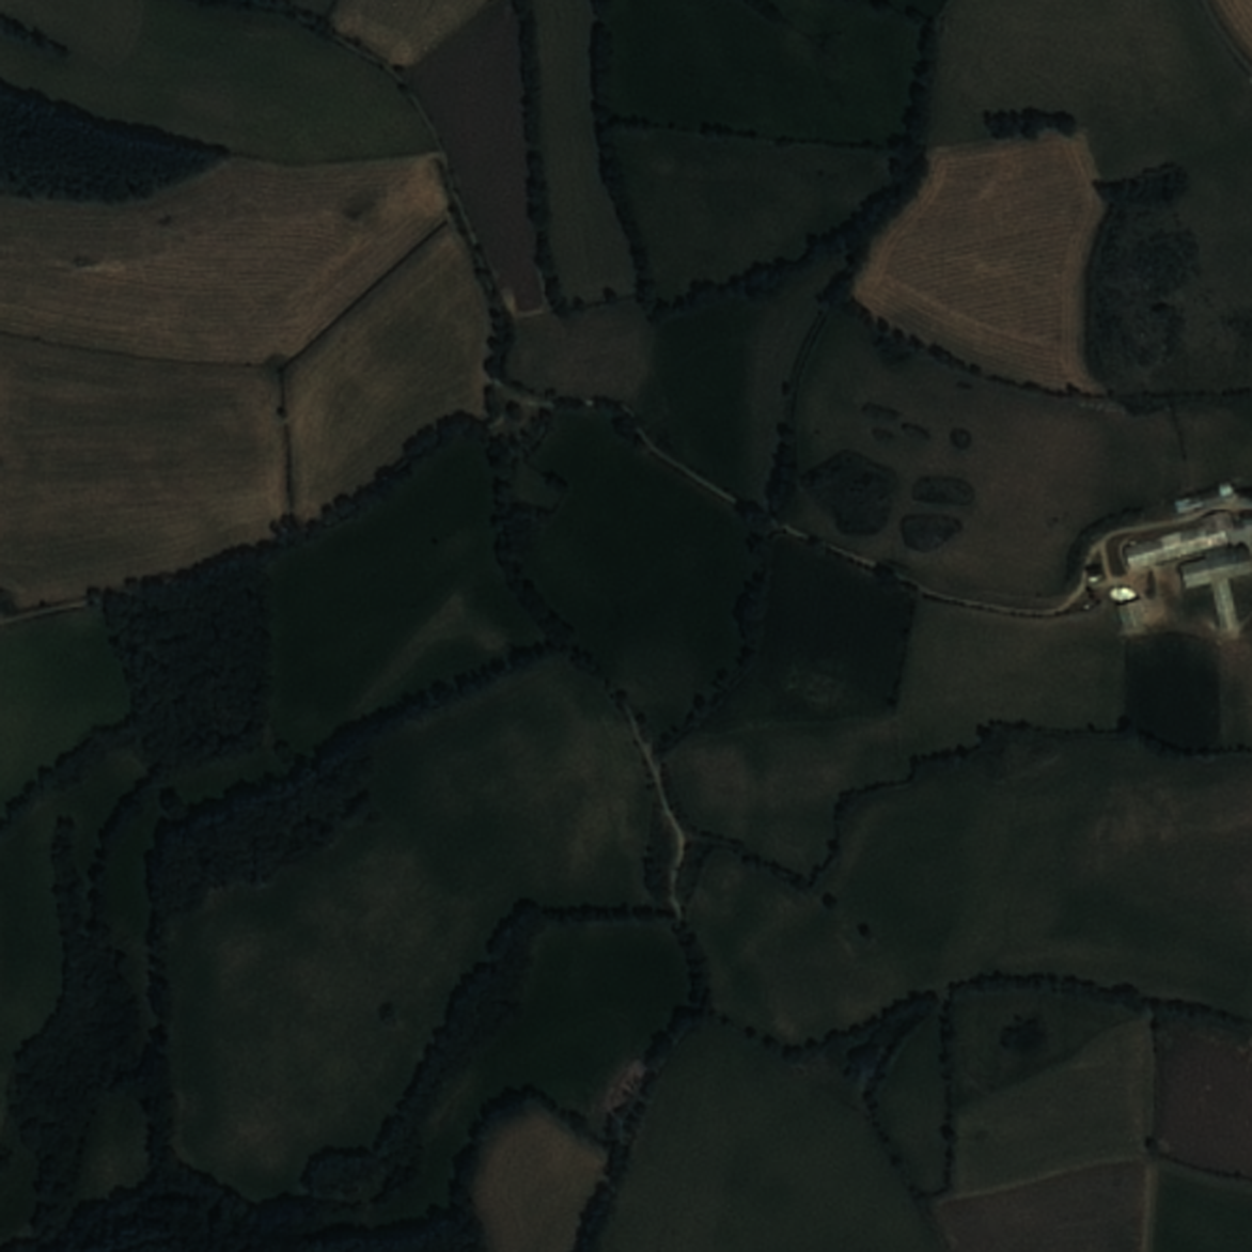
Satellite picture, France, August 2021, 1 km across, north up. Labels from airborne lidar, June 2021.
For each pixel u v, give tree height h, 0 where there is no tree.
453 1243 18
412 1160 11
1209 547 0
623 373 0
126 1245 22
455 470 0
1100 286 0
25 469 0
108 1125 0
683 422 0
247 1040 0
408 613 0
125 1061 23
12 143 24
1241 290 0
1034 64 0
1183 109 0
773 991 0
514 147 0
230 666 19
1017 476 0
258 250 0
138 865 0
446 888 0
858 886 0
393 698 0
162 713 20
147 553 0
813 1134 0
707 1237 0
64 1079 16
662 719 0
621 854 0
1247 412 0
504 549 13
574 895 0
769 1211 0
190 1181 23
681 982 0
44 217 0
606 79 18
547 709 0
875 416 0
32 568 0
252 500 0
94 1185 0
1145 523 0
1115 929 0
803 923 0
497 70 0
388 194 0
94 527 0
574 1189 0
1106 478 0
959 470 0
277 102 0
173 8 0
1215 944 0
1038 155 0
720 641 0
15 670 0
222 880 13
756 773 0
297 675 0
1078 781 0
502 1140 0
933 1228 0
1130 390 0
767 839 0
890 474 0
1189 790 0
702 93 0
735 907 0
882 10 14
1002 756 0
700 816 0
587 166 0
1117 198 11
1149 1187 0
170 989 20
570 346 0
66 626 0
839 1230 0
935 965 0
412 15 0
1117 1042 0
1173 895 0
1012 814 0
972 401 0
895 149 13
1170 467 0
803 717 0
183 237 0
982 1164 0
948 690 0
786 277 14
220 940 0
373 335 0
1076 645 0
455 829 0
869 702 0
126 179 13
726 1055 0
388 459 0
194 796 0
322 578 0
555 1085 0
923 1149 0
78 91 0
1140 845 0
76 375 0
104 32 0
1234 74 0
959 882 0
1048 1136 0
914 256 0
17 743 0
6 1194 0
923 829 0
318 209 0
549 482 12
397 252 0
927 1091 0
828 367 0
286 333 0
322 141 0
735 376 0
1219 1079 0
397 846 0
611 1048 0
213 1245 20
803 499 0
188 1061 0
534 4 16
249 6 11
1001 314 0
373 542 0
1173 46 0
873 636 0
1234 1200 0
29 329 0
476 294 0
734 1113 0
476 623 0
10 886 0
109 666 0
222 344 0
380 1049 0
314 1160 8
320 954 0
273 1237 26
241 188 0
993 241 0
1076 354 0
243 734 16
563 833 0
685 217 0
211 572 16
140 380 0
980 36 0
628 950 0
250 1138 0
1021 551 0
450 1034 13
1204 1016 10
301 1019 0
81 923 13
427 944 0
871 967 0
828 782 0
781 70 0
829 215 0
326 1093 0
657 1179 0
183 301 0
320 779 15
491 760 0
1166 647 0
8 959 0
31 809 11
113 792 0
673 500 0
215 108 0
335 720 0
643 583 0
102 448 0
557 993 0
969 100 0
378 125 0
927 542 0
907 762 0
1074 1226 0
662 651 0
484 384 0
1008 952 0
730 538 0
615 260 0
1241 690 0
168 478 0
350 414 0
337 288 0
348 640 0
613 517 0
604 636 0
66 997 8
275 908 0
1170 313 6
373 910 0
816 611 0
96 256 0
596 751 0
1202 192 0
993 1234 0
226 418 0
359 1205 18
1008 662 0
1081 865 0
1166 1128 0
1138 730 12
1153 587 0
